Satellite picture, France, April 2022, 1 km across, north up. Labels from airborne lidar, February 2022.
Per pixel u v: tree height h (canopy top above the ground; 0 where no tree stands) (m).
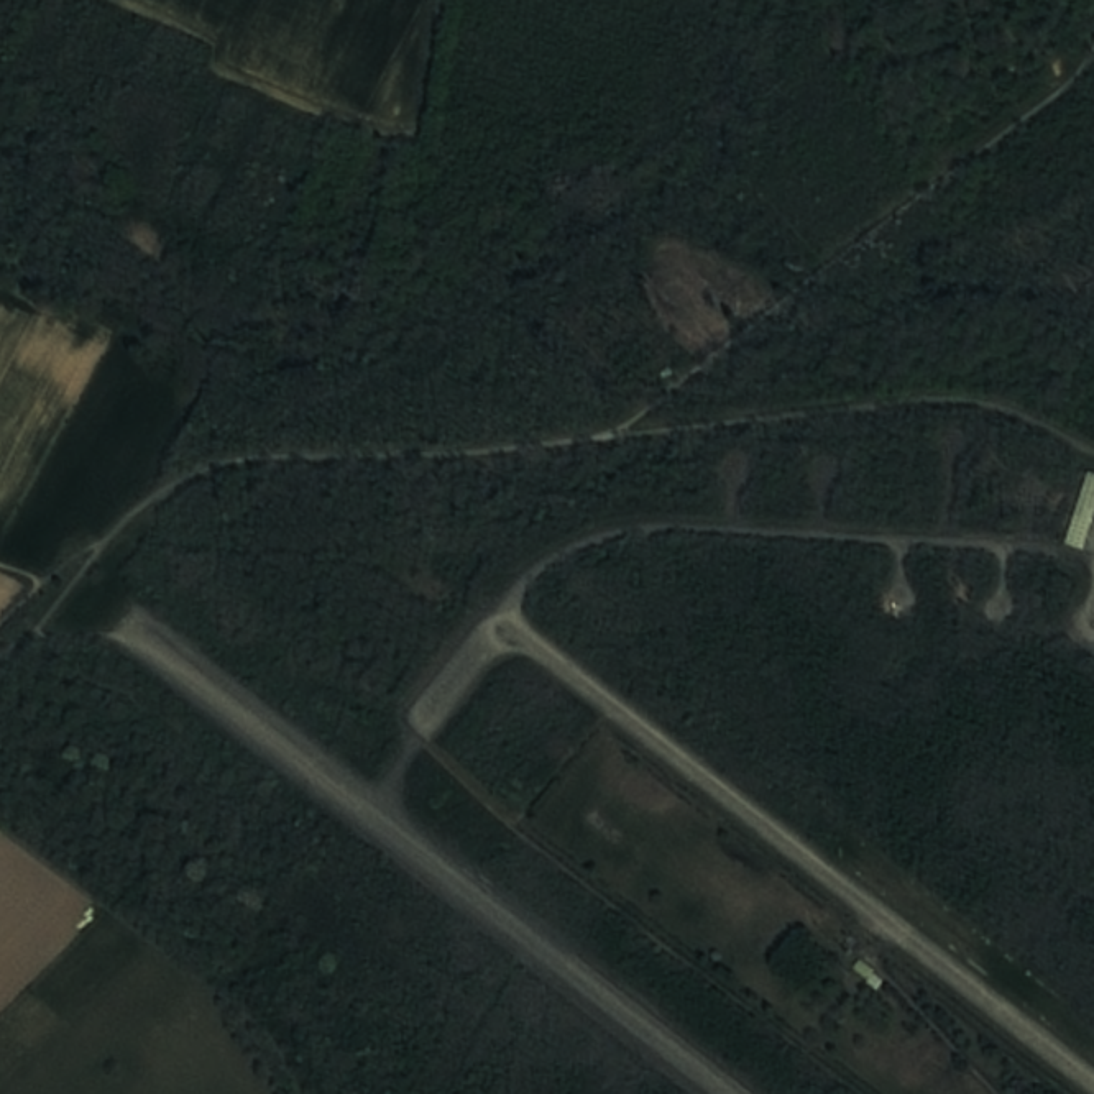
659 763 0
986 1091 0
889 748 19
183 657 0
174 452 16
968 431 13
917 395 17
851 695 17
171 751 12
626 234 24
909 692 15
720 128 21
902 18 27
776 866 0
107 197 21
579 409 0
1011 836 0
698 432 23
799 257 16
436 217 15
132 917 14
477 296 21
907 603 0
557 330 17
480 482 10
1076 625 0
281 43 0
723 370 16
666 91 18
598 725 0
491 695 7
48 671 16
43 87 11
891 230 17
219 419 22
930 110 27
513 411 0
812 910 0
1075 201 22
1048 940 0
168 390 0
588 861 0
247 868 12
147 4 0
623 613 14
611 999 0
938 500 16
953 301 27
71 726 17
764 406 20
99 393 0
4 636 6
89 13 12
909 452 21
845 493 18
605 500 16
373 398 19
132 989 0
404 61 0
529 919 0
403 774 0
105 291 20
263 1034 16
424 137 14
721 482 16
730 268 0
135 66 9
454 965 12
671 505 16
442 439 14
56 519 0
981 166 19
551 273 18
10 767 11
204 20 0
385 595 20
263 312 20
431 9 0
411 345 20
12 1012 0
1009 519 15
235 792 7
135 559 7
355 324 20
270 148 6
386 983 11
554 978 0
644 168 21
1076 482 14
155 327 13
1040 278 18
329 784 0
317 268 19
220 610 9
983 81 20
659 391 13
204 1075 0
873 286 20
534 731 7
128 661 8
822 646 18
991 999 0
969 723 16
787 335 19
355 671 18
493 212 22
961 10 14
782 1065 13
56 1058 0
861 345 25
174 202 11
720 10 20
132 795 16
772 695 6
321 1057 13
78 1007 0
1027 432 22
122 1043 0
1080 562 0
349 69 0
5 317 0
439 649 10
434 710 0
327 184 12
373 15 0
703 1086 0
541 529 18
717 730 8
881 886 0
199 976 15
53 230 24
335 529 19
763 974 0
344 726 9
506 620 0
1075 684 14
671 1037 0
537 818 12
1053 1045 0
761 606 19
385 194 14
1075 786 0
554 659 0
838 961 12
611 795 0
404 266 23
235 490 19
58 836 14
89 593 0
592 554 10
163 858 17
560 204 21
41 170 26
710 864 0
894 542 0
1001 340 29
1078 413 24
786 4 21
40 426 0
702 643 19
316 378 23
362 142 20
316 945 10
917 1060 0
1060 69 0
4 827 16
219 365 21
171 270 15
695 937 0
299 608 18
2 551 0
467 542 14
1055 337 21
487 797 0
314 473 15
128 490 0
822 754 20
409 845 0
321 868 11
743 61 20
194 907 13
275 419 21
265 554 17
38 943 0
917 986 0
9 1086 0
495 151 6
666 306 0
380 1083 10
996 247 16
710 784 0
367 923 13
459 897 0
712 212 19
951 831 16
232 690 0
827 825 7
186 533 8
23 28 13
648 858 0
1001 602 0
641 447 18
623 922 12
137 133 0
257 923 17
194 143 5
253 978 9
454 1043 7
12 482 0
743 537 8
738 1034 13
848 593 13
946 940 0
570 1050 0
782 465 21
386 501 16
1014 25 18
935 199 27
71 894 0
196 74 10
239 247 6
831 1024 13
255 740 0
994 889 15
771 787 12
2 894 0
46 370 0
